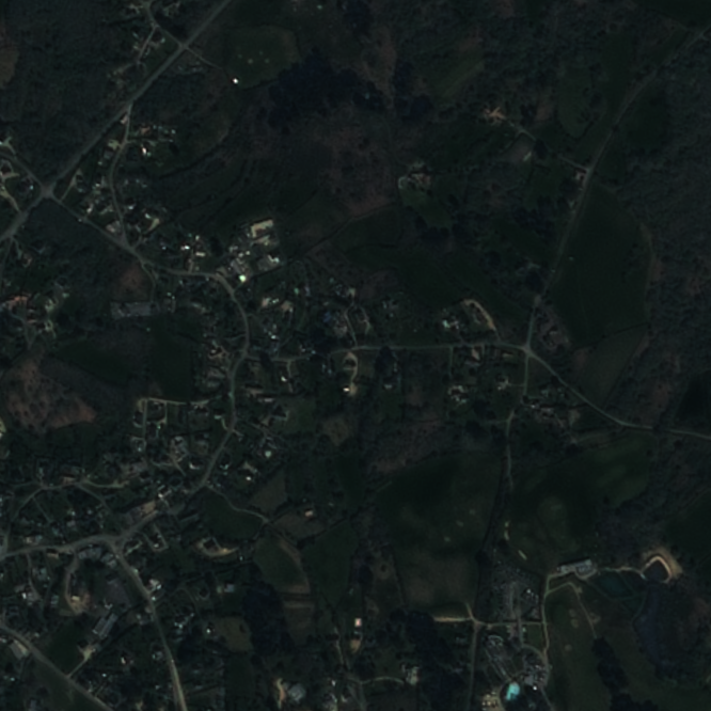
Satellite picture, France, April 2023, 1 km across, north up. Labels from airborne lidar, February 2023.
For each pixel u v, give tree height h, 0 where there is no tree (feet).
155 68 0
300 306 18
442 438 24
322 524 28
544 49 20
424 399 0
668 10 0
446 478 0
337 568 0
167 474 25
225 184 0
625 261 0
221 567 20
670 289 23
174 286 0
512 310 0
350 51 0
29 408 0
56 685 0
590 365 0
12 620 19
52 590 17
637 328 0
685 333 39
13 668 32
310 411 0
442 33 41
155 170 0
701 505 0
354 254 0
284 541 0
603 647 43
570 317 0
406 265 0
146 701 40
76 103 21
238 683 0
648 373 22
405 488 0
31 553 0
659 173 24
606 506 26
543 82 31
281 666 23
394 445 26
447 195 0
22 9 37
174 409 0
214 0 32
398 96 30
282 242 0
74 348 0
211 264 0
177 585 24
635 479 0
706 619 26
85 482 0
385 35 0
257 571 52
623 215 0
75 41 29
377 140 0
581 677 0
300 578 0
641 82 40
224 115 0
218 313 39
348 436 0
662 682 40
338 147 0
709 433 0
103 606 24
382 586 0
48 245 25
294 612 0
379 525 31
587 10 20
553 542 0
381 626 0
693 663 26
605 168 0
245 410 25
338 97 59
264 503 0
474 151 24
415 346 0
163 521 29
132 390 38
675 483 0
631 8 0
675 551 26
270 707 52
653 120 0
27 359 0
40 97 32
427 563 0
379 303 0
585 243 0
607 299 0
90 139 27
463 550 0
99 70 32
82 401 21
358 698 0
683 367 20
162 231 0
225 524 0
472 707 34
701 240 39
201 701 0
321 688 21
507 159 0
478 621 0
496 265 54
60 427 0
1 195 0
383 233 0
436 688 67
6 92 31
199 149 0
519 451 22
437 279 0
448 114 30
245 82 0
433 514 0
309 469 38
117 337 32
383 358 46
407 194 0
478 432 40
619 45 0
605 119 0
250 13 0
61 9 32
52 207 24
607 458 0
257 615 65
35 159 32
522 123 21
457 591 0
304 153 0
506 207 18
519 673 0
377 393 36
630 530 49
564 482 0
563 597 0
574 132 0
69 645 0
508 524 0
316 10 0
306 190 0
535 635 0
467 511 0
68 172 0
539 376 0
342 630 20
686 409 0
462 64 0
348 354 0
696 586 27
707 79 32
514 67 19
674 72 27
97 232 21
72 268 34
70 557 23
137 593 0
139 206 24
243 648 0
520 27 37
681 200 29
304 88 72
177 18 31
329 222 0
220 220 0
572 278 0
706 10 0
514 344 0
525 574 0
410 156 0
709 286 29
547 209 64
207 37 0
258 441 27
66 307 0
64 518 0
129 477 0
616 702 43
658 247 21
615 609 0
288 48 0
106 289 23
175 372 0
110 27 31
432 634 64
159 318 0
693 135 37
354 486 0
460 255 0
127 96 30
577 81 0
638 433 0
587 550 0
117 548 0
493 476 0
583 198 0
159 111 25
